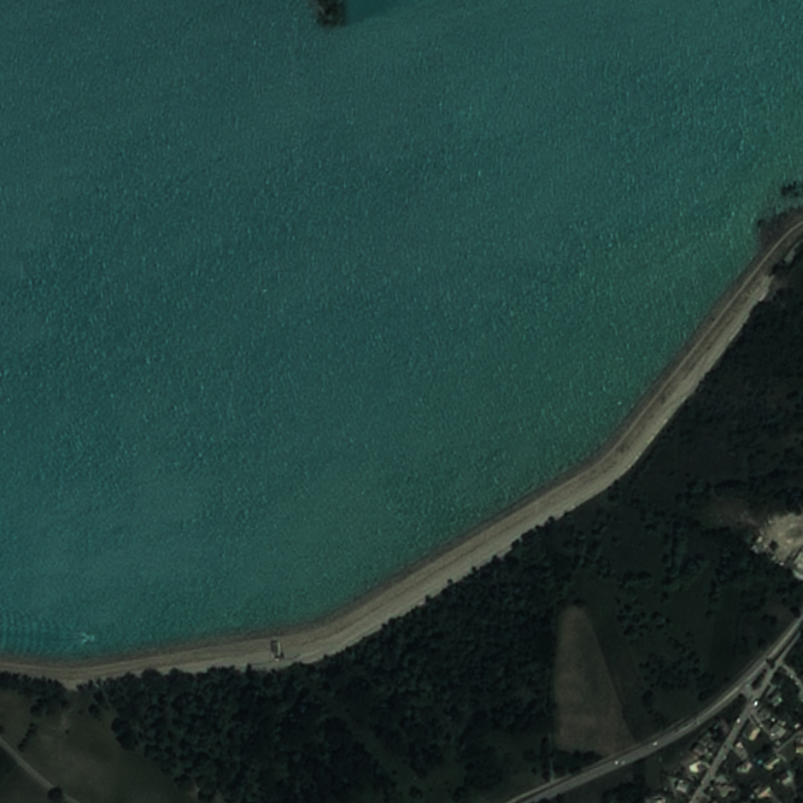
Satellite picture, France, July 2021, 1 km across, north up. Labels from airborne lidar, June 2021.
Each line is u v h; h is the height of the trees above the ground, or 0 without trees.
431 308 0
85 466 0
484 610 13
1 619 0
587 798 0
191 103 0
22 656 0
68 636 0
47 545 0
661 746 0
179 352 0
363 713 33
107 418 0
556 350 0
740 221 0
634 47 0
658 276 0
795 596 14
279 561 0
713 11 0
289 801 24
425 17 0
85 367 0
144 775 0
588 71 0
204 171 0
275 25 0
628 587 13
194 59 0
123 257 0
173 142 0
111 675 0
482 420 0
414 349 0
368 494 0
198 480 0
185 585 0
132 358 0
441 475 0
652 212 0
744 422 6
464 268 0
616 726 0
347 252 0
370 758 38
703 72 0
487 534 0
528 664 15
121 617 0
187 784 17
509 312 0
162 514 0
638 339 0
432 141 0
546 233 0
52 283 0
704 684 8
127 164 0
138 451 0
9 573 0
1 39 0
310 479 0
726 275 0
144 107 0
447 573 0
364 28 0
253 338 0
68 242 0
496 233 0
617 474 0
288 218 0
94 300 0
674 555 12
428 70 0
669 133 0
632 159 0
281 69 0
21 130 0
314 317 0
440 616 23
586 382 0
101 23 0
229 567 0
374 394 0
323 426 0
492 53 0
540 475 0
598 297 0
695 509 16
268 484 0
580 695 0
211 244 0
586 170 0
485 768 17
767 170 0
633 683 0
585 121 0
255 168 0
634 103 0
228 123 0
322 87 0
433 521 0
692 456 0
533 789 0
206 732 22
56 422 0
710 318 0
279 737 29
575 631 0
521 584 24
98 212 0
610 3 0
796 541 0
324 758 17
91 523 0
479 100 0
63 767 0
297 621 0
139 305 0
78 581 0
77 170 0
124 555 0
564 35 0
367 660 28
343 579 0
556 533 19
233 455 0
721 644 0
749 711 0
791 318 17
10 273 0
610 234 0
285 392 0
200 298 0
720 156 0
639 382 0
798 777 11
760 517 0
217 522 0
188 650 0
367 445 0
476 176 0
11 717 0
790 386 11
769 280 0
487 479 0
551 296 0
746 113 0
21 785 0
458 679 14
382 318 0
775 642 0
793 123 0
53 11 0
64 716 0
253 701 34
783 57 0
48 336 0
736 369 10
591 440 0
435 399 0
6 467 0
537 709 16
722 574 16
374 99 0
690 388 0
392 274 0
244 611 0
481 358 0
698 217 0
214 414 0
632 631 16
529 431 0
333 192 0
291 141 0
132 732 31
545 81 0
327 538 0
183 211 0
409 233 0
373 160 0
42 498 0
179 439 0
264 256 0
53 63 0
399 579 0
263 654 0
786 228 0
